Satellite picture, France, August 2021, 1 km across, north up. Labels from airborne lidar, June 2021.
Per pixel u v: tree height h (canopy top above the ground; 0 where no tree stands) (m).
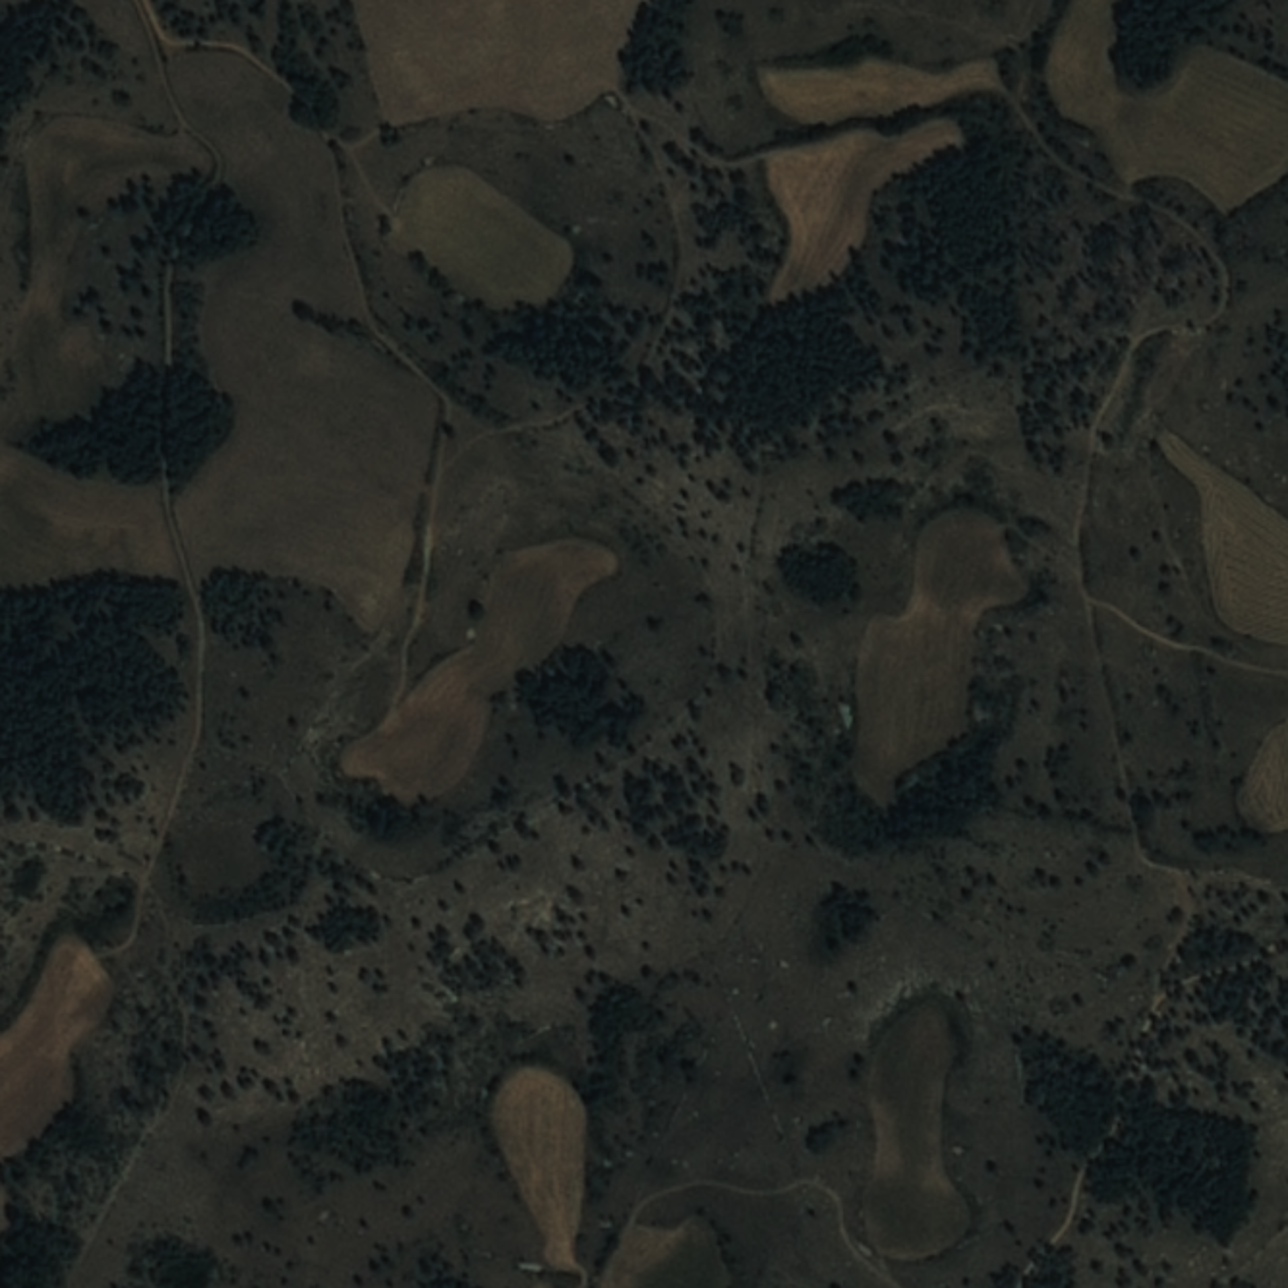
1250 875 0
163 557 0
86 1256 0
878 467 0
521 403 0
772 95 0
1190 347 0
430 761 0
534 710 9
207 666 0
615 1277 0
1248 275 0
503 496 0
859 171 0
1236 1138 16
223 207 7
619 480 0
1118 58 12
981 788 13
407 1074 10
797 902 0
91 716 9
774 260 9
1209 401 0
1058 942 0
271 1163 0
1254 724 0
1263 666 0
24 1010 0
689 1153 0
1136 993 0
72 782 11
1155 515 0
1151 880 0
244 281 0
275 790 0
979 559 0
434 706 0
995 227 12
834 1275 0
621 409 8
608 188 0
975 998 0
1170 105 0
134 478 11
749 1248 0
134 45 0
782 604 0
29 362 0
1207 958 11
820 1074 0
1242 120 0
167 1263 7
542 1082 0
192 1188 0
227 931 0
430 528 0
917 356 0
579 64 0
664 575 0
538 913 0
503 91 0
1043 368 10
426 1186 0
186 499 0
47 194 0
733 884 0
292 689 0
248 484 0
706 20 0
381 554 0
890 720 0
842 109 0
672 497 0
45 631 14
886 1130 0
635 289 0
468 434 0
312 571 0
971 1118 0
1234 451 0
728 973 0
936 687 0
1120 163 0
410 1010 0
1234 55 9
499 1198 0
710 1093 0
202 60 0
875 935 0
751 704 0
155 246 11
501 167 0
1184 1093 11
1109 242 12
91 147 0
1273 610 0
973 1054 0
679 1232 0
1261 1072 0
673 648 0
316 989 0
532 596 0
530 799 0
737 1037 0
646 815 13
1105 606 0
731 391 10
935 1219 0
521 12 0
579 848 0
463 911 0
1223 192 0
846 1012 0
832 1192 0
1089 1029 0
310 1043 0
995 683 0
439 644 0
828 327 16
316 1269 0
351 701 0
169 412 13
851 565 13
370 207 0
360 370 0
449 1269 9
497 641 0
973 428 0
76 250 0
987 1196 0
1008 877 0
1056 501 0
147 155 0
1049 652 0
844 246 0
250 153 0
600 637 0
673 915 0
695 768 13
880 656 0
